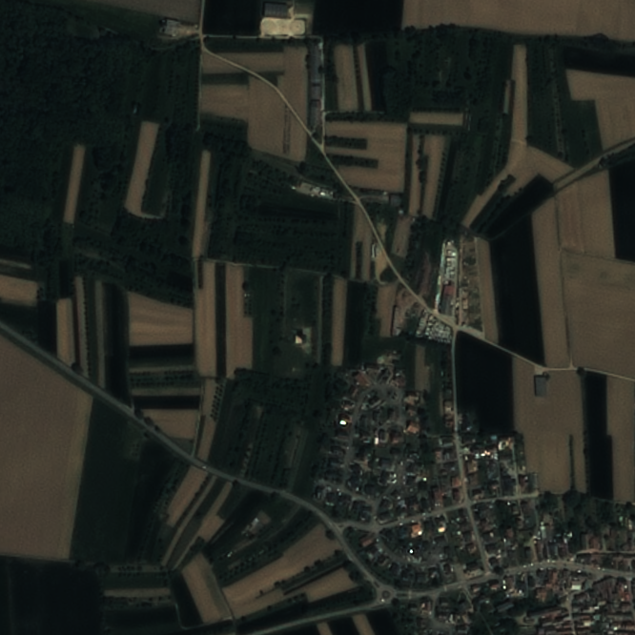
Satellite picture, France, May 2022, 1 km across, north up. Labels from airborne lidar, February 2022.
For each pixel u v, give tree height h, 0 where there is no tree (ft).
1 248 0
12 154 92
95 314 0
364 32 0
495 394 0
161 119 0
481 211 0
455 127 0
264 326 0
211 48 0
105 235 0
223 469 0
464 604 29
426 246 0
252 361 0
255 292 0
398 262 0
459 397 0
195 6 0
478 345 0
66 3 0
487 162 0
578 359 0
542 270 0
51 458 0
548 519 0
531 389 0
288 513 0
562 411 0
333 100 0
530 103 0
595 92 0
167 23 0
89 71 76
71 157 0
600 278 0
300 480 0
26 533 0
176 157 31
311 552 0
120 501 0
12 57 84
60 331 0
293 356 0
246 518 0
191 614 0
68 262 0
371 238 0
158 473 0
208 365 0
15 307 0
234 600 0
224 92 0
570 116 0
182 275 0
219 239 20
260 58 0
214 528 0
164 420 0
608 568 0
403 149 0
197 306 0
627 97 0
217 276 0
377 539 0
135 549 0
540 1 0
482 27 0
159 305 0
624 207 0
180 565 0
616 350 0
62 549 0
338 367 0
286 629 0
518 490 0
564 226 0
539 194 0
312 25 0
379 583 0
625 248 0
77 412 0
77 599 0
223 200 44
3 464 0
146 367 0
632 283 0
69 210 0
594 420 0
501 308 0
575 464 0
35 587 0
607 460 0
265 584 0
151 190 0
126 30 0
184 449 0
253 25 0
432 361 0
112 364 0
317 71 0
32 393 0
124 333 0
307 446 0
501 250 0
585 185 0
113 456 0
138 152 0
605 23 0
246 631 0
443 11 0
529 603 20
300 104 0
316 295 0
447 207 0
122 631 0
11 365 0
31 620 0
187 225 52
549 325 0
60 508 0
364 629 0
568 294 0
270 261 0
